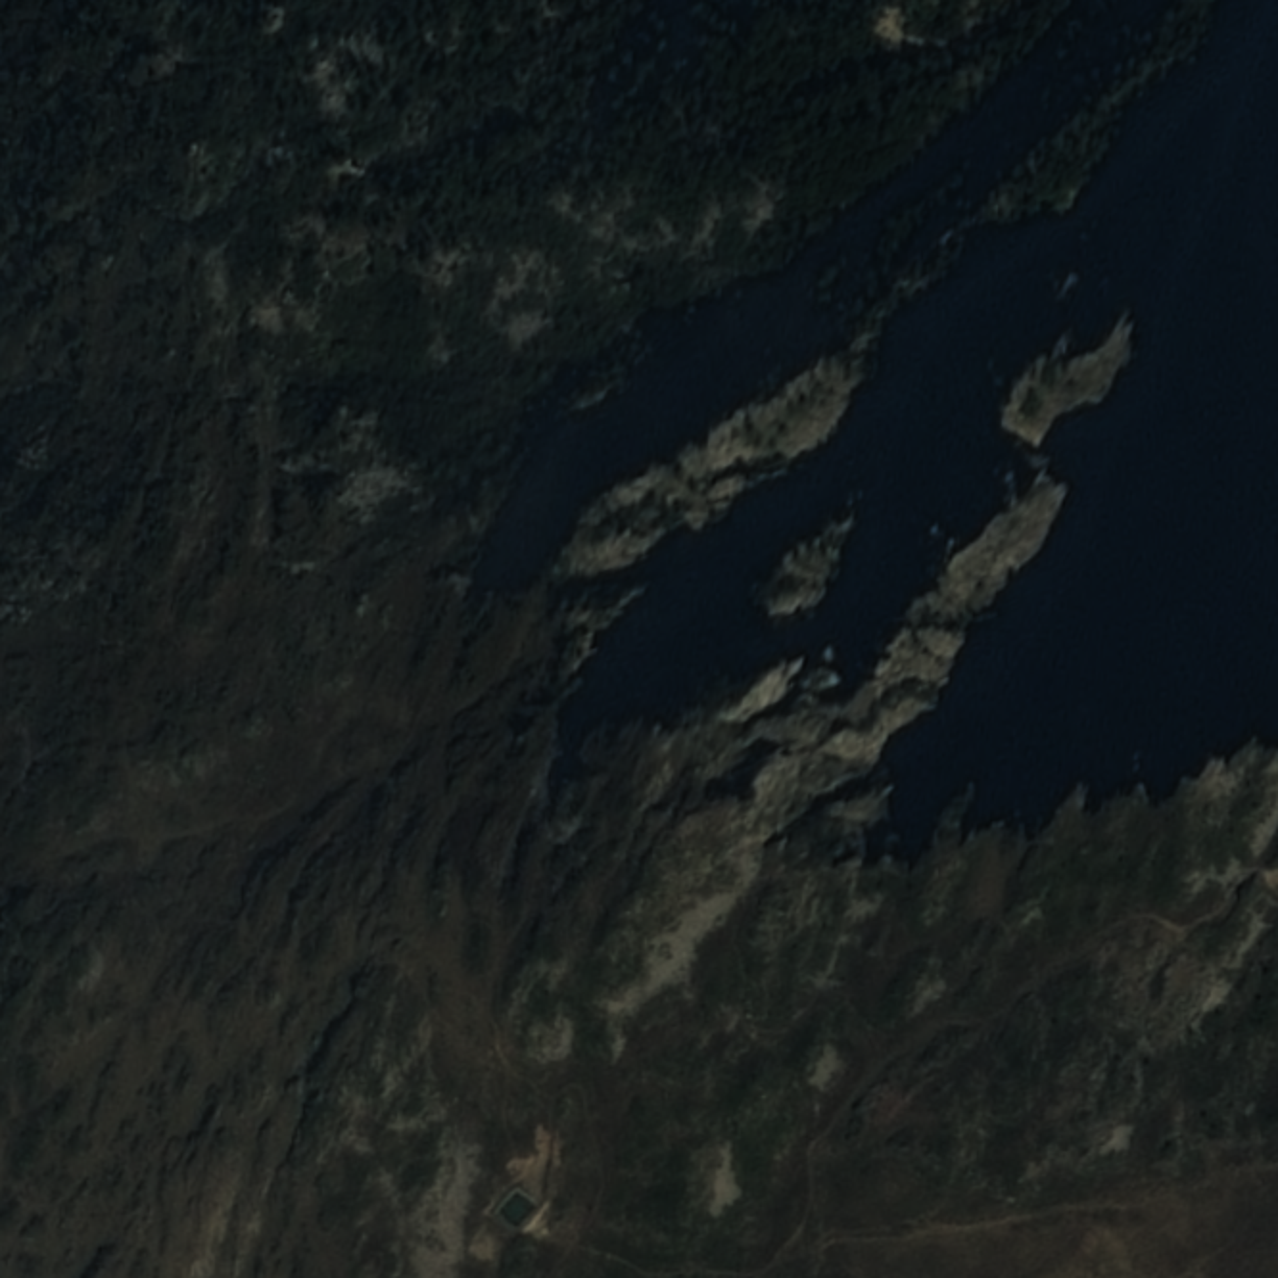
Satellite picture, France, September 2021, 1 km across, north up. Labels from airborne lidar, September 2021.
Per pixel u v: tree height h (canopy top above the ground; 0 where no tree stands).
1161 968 0
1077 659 10
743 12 12
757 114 19
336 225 9
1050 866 0
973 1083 0
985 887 0
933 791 6
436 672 0
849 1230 0
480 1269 0
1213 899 0
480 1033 0
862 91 24
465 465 6
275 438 0
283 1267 0
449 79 7
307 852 0
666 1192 0
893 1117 0
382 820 0
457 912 0
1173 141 7
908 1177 0
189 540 0
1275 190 9
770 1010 0
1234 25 12
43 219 6
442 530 0
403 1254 0
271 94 11
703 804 0
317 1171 0
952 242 19
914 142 9
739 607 7
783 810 0
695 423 7
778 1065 0
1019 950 0
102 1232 0
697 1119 0
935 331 0
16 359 0
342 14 9
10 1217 0
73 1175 0
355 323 0
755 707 0
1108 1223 0
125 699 0
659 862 0
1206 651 8
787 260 11
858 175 14
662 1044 0
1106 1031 0
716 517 11
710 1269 0
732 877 0
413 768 0
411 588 0
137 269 0
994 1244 0
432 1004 0
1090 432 0
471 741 0
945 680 0
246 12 6
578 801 0
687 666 7
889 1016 0
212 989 0
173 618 0
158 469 0
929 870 0
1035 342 11
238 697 0
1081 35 12
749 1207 0
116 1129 0
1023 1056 0
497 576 9
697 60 10
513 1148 0
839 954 0
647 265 8
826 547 7
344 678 0
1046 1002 0
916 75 14
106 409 0
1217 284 10
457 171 8
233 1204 0
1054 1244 0
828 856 0
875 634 9
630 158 13
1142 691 11
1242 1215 0
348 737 0
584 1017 0
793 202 8
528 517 11
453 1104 0
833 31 23
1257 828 0
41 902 0
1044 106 19
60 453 0
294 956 0
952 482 6
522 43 6
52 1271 0
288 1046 0
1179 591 6
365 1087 0
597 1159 0
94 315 0
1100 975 0
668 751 0
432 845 0
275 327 0
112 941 0
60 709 0
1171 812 0
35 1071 0
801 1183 0
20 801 0
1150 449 7
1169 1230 0
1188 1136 0
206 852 0
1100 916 0
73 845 0
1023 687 7
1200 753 9
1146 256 12
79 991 0
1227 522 5
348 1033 0
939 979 0
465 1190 0
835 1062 0
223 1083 0
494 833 0
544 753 0
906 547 9
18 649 0
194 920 0
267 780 0
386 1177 0
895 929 0
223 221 5
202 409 0
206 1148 0
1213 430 9
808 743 0
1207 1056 0
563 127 9
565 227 5
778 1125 0
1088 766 7
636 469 7
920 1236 0
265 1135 0
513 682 0
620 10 9
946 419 13
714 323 8
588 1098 0
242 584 0
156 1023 0
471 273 6
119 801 0
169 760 0
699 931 0
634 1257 0
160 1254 0
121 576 0
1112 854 0
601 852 0
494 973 0
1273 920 0
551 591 6
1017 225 8
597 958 0
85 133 9
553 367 6
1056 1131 0
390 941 0
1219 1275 0
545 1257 0
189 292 0
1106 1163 0
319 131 9
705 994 0
